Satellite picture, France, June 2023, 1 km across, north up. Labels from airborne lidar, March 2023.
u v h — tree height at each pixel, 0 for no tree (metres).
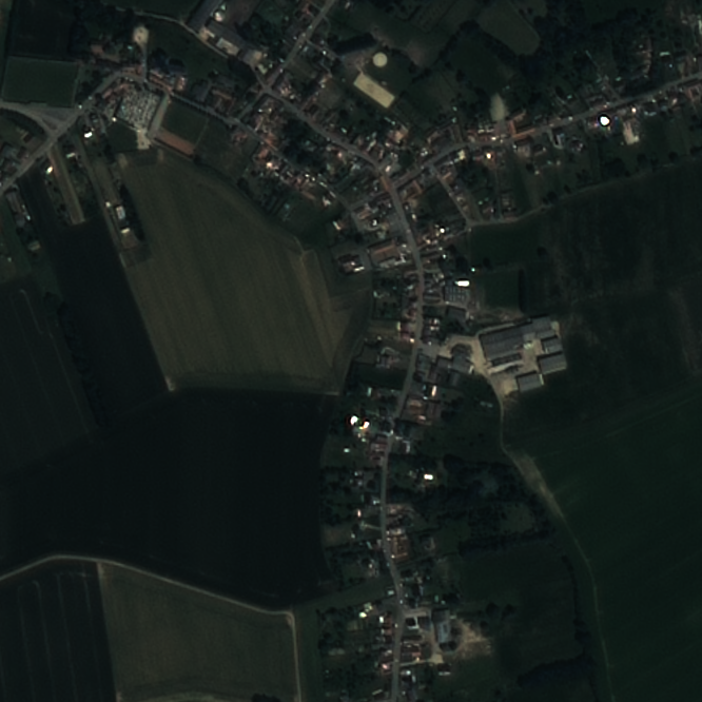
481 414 0
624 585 0
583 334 0
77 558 0
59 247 0
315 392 0
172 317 0
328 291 0
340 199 0
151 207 0
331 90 0
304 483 0
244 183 7
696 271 0
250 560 0
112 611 0
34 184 0
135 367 0
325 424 0
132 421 0
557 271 0
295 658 0
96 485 0
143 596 0
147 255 0
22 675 0
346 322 0
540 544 0
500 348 0
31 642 0
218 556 0
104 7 15
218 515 0
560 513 0
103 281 0
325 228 0
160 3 0
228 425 0
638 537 0
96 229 0
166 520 0
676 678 0
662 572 0
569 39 22
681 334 0
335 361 0
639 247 0
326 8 0
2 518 0
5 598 0
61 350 0
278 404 0
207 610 0
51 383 0
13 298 0
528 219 0
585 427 0
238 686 0
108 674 0
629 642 0
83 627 0
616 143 0
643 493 0
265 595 0
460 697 0
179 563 0
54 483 0
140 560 0
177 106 0
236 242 0
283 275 0
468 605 0
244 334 0
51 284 0
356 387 17
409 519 7
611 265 0
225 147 0
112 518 0
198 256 0
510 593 0
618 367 0
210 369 0
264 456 0
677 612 0
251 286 0
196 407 0
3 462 0
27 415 0
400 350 0
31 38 0
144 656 0
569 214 0
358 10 0
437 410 0
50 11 0
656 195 0
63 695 0
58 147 0
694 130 7
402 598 0
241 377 0
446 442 0
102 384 0
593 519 0
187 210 0
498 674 0
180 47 0
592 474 0
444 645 11
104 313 0
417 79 11
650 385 0
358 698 0
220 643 0
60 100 0
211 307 0
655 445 0
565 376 0
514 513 0
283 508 0
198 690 0
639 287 0
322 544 0
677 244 0
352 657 0
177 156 0
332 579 0
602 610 0
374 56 0
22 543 0
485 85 0
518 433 0
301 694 0
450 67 10
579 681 0
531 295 0
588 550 0
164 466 0
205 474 0
